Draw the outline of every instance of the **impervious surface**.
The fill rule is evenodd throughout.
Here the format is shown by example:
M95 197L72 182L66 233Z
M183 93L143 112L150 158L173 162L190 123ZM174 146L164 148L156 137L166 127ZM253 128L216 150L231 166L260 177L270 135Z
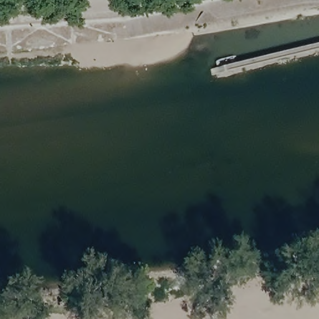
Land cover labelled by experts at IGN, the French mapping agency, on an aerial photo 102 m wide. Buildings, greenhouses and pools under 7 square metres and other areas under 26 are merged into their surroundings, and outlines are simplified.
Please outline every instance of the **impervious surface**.
M227 77L268 65L297 61L300 57L319 55L319 42L214 67L211 71L213 76Z
M65 20L42 25L40 17L36 19L31 15L10 17L9 25L0 25L0 59L35 59L37 56L54 57L62 54L62 49L65 49L66 45L61 36L76 37L77 44L95 40L113 42L115 40L112 30L115 27L122 27L117 32L117 37L140 35L142 31L148 34L156 27L161 34L168 31L169 34L176 35L183 27L189 29L192 21L198 29L202 29L219 22L238 22L239 19L247 19L252 14L260 16L299 7L305 10L319 10L319 0L202 0L199 4L193 4L194 9L191 12L174 12L171 16L151 12L137 16L121 16L110 9L108 0L87 0L90 6L86 11L82 11L85 22L81 29L67 24Z

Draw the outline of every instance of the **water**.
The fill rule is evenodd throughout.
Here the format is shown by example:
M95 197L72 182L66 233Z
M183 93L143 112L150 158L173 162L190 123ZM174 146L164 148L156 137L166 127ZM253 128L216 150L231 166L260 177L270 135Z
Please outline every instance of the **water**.
M153 278L156 288L159 288L159 278L174 279L177 275L182 275L187 270L184 260L191 257L194 249L201 248L203 243L218 239L223 234L229 234L231 237L248 237L249 240L254 240L259 252L269 254L304 237L312 237L319 229L319 55L300 57L297 61L268 65L227 77L213 76L211 71L214 67L319 42L319 15L307 16L304 20L268 22L193 36L187 49L181 54L157 64L77 67L0 67L0 293L4 292L10 277L24 273L26 268L30 268L31 274L44 280L60 282L61 279L61 274L66 269L77 273L80 269L86 268L83 255L95 254L95 258L100 259L101 255L105 254L130 267L136 262L141 262L145 267L148 265L151 269L148 277Z

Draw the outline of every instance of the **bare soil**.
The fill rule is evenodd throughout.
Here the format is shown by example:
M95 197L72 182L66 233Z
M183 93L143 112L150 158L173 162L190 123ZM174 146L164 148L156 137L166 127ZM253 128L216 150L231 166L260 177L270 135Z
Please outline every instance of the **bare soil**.
M157 302L153 294L148 293L143 297L146 300L150 299L151 319L189 319L192 313L192 299L188 295L176 298L169 295L162 302Z
M61 279L60 282L44 280L40 290L42 302L54 305L59 297L59 288L64 285Z
M229 305L226 319L319 319L319 303L310 305L307 298L293 295L293 289L302 290L304 285L304 282L294 280L285 290L284 299L274 304L262 288L263 278L254 277L243 285L231 287L232 293L229 297L233 304Z
M193 36L268 22L304 20L307 16L319 15L319 10L305 10L299 7L260 16L252 14L247 19L239 19L238 22L219 22L202 29L198 29L192 21L189 29L183 27L176 35L169 34L168 31L161 34L156 27L148 34L142 31L140 35L117 37L117 32L122 27L115 27L112 30L115 40L113 42L95 40L77 44L76 37L61 36L66 45L65 49L62 49L62 54L70 54L79 61L77 67L157 64L181 54L187 49Z

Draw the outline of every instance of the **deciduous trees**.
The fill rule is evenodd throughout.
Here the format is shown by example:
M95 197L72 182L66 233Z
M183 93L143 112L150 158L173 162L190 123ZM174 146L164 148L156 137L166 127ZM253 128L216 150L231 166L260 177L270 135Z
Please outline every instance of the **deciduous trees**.
M137 16L151 12L171 16L174 12L191 12L194 9L193 4L199 4L202 0L108 0L110 9L121 16Z
M304 282L304 285L302 290L293 289L293 295L307 298L310 305L319 303L319 229L312 237L304 237L269 254L259 252L254 240L249 240L248 237L231 237L229 234L223 234L218 239L203 243L201 248L194 249L191 257L184 260L187 270L182 275L186 278L184 285L191 288L188 295L192 299L192 313L189 319L226 319L229 305L233 304L229 297L232 293L231 287L243 285L254 277L263 278L262 288L274 304L284 299L285 290L294 280Z
M81 29L85 22L82 11L86 11L90 6L87 0L0 0L0 25L9 25L10 17L31 15L36 19L40 17L42 25L65 20L67 24Z
M80 269L77 273L66 269L61 274L61 279L64 285L59 288L59 297L54 305L42 302L40 290L44 280L31 274L30 268L26 268L24 273L10 277L4 292L0 293L0 319L151 319L150 299L146 300L143 297L148 293L153 294L156 288L153 278L148 277L151 269L148 265L145 267L141 262L136 262L130 267L105 254L101 255L100 259L95 258L95 254L83 255L86 268Z

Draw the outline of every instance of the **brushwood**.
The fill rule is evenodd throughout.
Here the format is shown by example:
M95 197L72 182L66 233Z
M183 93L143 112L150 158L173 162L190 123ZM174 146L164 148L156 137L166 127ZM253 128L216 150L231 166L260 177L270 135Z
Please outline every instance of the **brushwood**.
M35 59L0 59L0 67L77 67L79 61L70 54L62 54L54 57L37 56Z
M186 278L182 275L177 275L174 279L159 278L159 288L156 288L153 294L157 302L162 302L169 295L176 298L188 295L191 288L184 285Z

